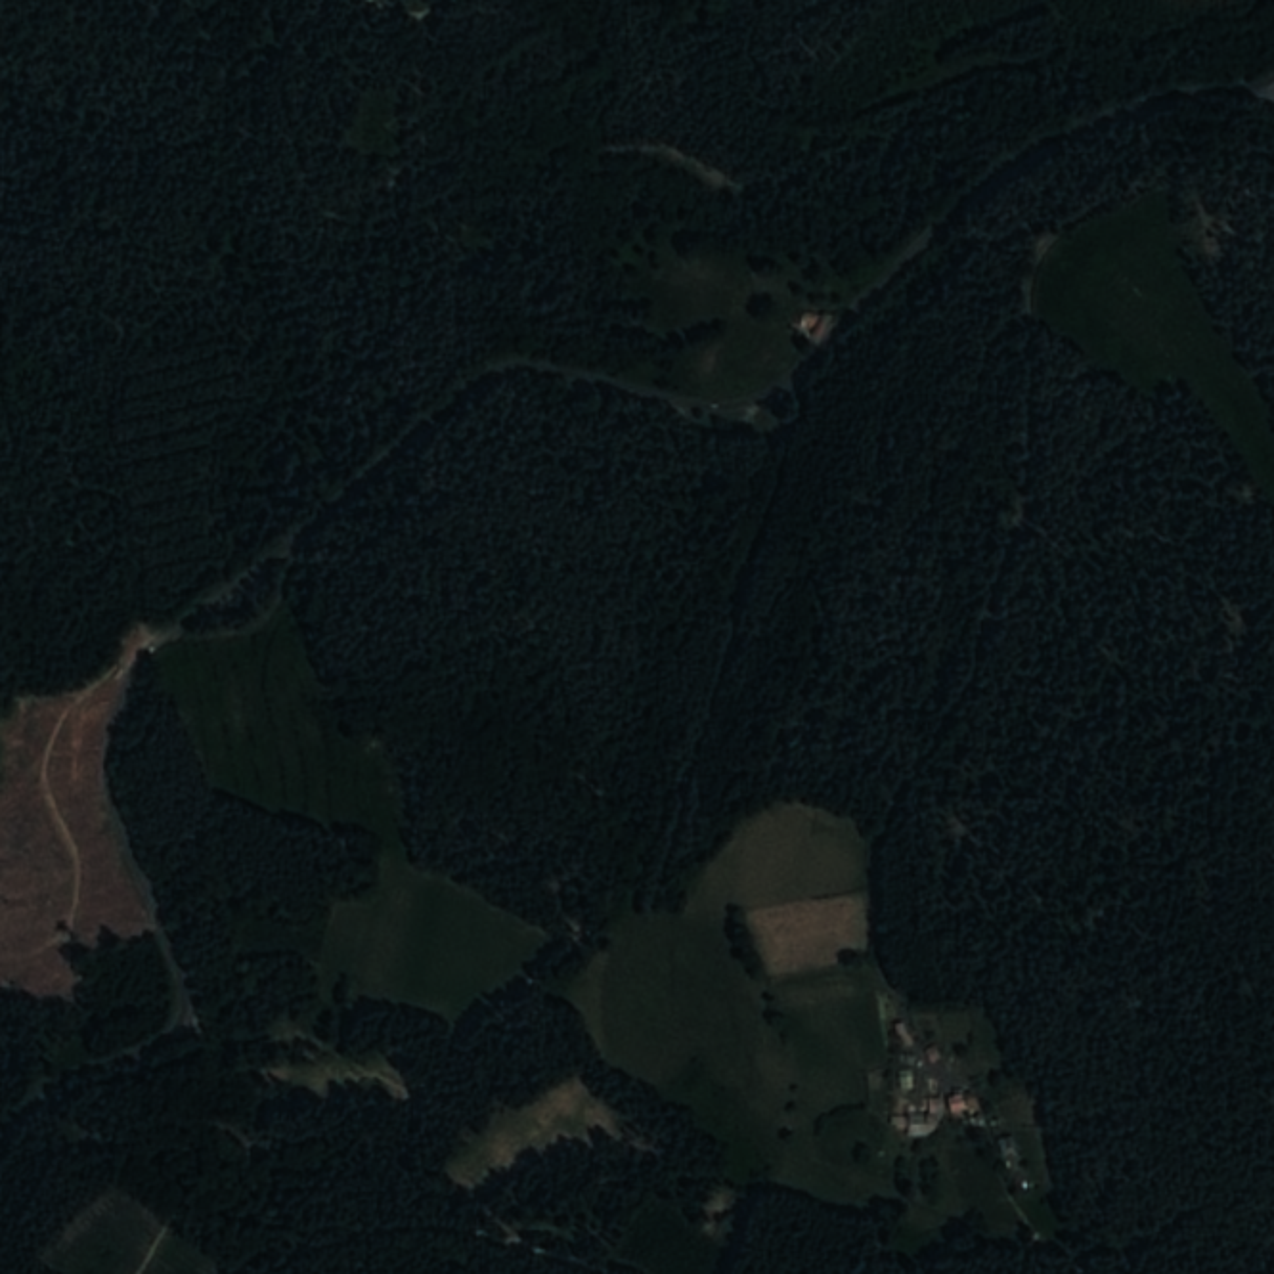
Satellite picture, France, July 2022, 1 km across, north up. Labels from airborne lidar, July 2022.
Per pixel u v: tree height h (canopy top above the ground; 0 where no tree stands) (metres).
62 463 21
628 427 29
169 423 21
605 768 18
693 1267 6
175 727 20
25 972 0
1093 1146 26
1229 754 16
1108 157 27
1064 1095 18
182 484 23
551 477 27
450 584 23
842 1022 0
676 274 0
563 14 19
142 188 18
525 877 21
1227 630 20
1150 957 21
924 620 24
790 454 20
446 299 25
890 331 17
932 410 17
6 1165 22
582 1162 22
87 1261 0
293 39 22
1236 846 25
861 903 0
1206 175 20
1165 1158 24
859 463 27
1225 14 12
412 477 8
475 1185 0
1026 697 21
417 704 28
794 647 24
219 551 23
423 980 0
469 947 0
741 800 15
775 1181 0
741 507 28
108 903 0
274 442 30
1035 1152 0
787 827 0
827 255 16
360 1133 29
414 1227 23
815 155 13
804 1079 0
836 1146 0
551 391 21
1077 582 28
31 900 0
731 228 23
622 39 20
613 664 22
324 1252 25
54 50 14
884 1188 0
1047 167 26
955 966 12
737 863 0
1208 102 17
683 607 21
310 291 24
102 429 16
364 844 22
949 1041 0
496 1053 22
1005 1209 0
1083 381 29
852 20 23
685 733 30
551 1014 25
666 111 20
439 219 24
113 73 22
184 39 23
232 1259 24
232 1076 26
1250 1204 22
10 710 13
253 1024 30
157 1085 22
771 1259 25
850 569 31
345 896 12
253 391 23
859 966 18
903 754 30
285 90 16
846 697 18
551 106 23
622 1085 29
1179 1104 22
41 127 21
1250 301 19
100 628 16
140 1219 0
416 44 19
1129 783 18
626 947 0
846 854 0
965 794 24
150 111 29
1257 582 19
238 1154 21
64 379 20
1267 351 23
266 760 0
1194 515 12
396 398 16
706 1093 0
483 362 17
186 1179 25
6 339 13
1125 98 26
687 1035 0
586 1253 23
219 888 22
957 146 29
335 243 13
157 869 17
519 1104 24
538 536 22
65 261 22
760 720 22
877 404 21
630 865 28
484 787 25
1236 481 18
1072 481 24
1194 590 17
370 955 0
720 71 26
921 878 23
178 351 21
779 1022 15
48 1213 30
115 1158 21
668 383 11
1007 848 27
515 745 27
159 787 21
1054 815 26
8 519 21
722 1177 7
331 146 12
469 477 23
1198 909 16
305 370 21
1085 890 21
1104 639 24
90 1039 21
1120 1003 29
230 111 20
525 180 23
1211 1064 22
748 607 30
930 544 22
